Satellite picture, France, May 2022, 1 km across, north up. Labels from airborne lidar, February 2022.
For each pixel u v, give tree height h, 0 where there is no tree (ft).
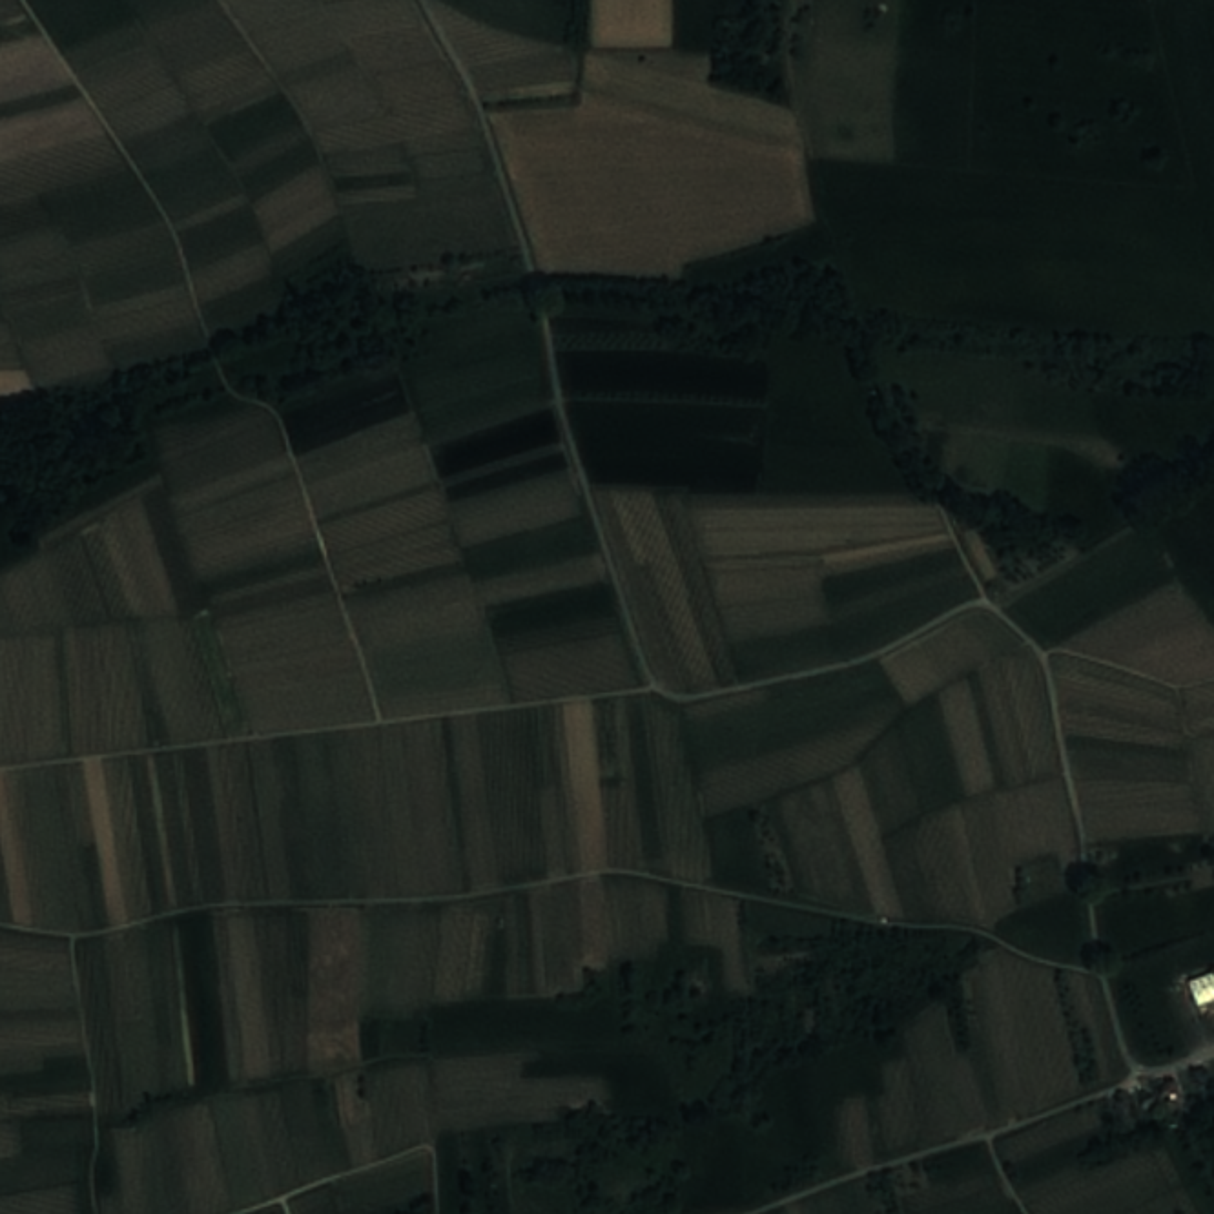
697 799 0
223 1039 0
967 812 0
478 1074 0
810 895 0
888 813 0
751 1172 0
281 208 0
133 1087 0
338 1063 0
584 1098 0
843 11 0
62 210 0
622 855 0
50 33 0
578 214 0
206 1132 0
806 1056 35
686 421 0
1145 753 0
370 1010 0
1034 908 0
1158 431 0
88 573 0
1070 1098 0
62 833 0
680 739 0
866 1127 0
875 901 0
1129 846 0
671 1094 0
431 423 0
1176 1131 0
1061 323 0
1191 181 0
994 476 0
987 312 0
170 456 0
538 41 0
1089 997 0
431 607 0
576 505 0
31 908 0
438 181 0
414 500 0
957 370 0
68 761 0
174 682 0
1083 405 0
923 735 0
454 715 0
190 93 0
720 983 0
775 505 0
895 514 0
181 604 0
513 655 0
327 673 0
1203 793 0
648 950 0
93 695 0
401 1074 0
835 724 0
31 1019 0
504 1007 0
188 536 0
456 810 0
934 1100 0
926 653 0
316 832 0
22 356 0
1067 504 0
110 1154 0
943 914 0
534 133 0
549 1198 0
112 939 0
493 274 0
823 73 0
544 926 0
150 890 0
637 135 0
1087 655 0
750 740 0
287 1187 0
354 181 0
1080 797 0
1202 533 0
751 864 0
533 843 0
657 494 0
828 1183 0
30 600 0
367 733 0
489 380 0
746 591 0
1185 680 0
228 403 0
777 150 0
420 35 0
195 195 0
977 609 0
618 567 0
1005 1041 0
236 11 0
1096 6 0
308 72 0
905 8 0
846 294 40
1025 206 0
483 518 0
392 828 0
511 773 0
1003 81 0
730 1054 0
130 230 0
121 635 0
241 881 0
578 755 0
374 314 62
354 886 0
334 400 0
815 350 0
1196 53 0
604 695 0
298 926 0
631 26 0
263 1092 0
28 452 74
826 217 0
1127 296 0
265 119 0
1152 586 0
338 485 0
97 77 0
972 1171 0
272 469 0
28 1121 0
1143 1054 0
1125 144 0
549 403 0
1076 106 0
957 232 0
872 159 0
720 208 0
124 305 0
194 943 0
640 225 0
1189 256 0
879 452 0
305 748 0
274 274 0
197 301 0
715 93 0
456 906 0
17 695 0
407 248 0
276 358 0
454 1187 0
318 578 0
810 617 0
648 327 0
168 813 0
